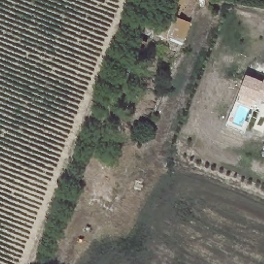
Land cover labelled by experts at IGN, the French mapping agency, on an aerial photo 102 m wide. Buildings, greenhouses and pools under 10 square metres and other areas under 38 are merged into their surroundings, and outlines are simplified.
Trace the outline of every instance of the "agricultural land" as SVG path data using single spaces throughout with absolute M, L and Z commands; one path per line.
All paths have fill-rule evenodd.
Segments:
M 151 226 L 151 229 L 145 227 L 144 230 L 133 227 L 140 206 L 153 190 L 142 186 L 140 190 L 135 190 L 135 181 L 129 178 L 128 172 L 124 171 L 122 178 L 115 178 L 110 166 L 102 164 L 96 158 L 91 158 L 90 161 L 87 166 L 84 172 L 84 192 L 80 194 L 72 217 L 64 230 L 65 238 L 58 240 L 59 249 L 54 260 L 64 264 L 264 264 L 264 197 L 247 193 L 244 189 L 228 187 L 227 183 L 220 180 L 221 177 L 217 179 L 189 173 L 187 181 L 179 181 L 173 188 L 178 199 L 172 206 L 175 217 L 164 220 L 159 226 Z

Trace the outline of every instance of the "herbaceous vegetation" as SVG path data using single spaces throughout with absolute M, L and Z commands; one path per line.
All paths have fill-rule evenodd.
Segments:
M 192 47 L 192 52 L 196 55 L 201 52 L 207 44 L 211 28 L 218 24 L 221 16 L 219 10 L 216 15 L 211 13 L 207 7 L 208 0 L 179 0 L 178 11 L 190 16 L 190 22 L 192 27 L 183 45 L 168 41 L 169 48 L 166 54 L 174 56 L 174 63 L 170 66 L 171 76 L 175 76 L 177 67 L 184 60 L 185 54 L 181 51 L 181 46 Z
M 225 73 L 220 72 L 226 66 L 230 67 L 231 63 L 237 64 L 237 72 L 247 68 L 264 71 L 264 9 L 237 4 L 236 14 L 244 24 L 249 25 L 241 33 L 247 44 L 245 51 L 221 57 L 213 64 L 206 62 L 190 107 L 188 123 L 179 132 L 176 140 L 177 153 L 173 157 L 174 169 L 181 173 L 189 173 L 217 179 L 221 177 L 220 180 L 227 183 L 228 187 L 244 189 L 247 193 L 264 197 L 264 130 L 260 132 L 253 128 L 252 131 L 241 132 L 227 126 L 238 97 L 243 80 L 228 79 Z
M 153 190 L 160 176 L 168 169 L 166 158 L 161 155 L 162 145 L 174 135 L 171 125 L 177 117 L 177 111 L 186 107 L 186 99 L 190 95 L 184 91 L 180 90 L 177 96 L 171 98 L 155 96 L 155 78 L 148 81 L 146 95 L 136 104 L 133 117 L 137 120 L 141 115 L 159 111 L 160 119 L 156 123 L 155 138 L 143 143 L 141 147 L 137 146 L 136 142 L 133 145 L 124 145 L 119 165 L 110 166 L 115 178 L 122 178 L 124 171 L 128 172 L 129 178 L 135 181 L 135 190 L 140 190 L 142 186 Z

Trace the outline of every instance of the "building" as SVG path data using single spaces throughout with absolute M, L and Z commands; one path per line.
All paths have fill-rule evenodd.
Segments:
M 192 27 L 190 22 L 172 16 L 169 29 L 159 35 L 161 40 L 168 41 L 183 45 Z
M 249 75 L 243 80 L 238 97 L 261 99 L 264 102 L 264 81 Z

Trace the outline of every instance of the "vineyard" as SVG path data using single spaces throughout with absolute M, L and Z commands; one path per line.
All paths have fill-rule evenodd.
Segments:
M 118 30 L 126 0 L 0 0 L 0 264 L 30 264 L 35 262 L 46 212 L 55 189 L 58 188 L 57 180 L 63 169 L 72 159 L 87 166 L 90 161 L 79 155 L 77 146 L 81 138 L 77 134 L 81 130 L 81 125 L 89 127 L 89 123 L 96 119 L 91 115 L 95 78 L 100 71 L 112 36 Z
M 237 64 L 231 63 L 230 67 L 226 66 L 220 72 L 225 73 L 228 79 L 243 80 L 249 75 L 264 81 L 264 71 L 247 68 L 237 72 Z

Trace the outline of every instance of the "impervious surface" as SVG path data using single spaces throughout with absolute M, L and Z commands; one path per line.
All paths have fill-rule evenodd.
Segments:
M 249 112 L 246 113 L 245 122 L 237 126 L 233 124 L 233 118 L 240 107 Z M 238 97 L 227 126 L 241 132 L 252 131 L 253 128 L 260 132 L 264 130 L 264 102 L 261 99 Z

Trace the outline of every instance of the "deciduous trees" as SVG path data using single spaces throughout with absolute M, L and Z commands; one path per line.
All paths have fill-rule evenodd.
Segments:
M 72 217 L 80 194 L 84 192 L 84 172 L 87 166 L 72 159 L 63 169 L 57 180 L 58 188 L 55 189 L 46 212 L 35 262 L 30 264 L 64 264 L 54 260 L 59 249 L 58 240 L 65 238 L 64 230 Z
M 196 55 L 192 52 L 192 47 L 181 46 L 181 51 L 185 54 L 184 60 L 177 67 L 175 76 L 171 76 L 170 66 L 174 63 L 174 56 L 166 54 L 169 48 L 168 41 L 161 40 L 159 35 L 169 29 L 172 16 L 190 22 L 190 16 L 178 11 L 179 0 L 126 0 L 118 30 L 112 36 L 100 71 L 95 78 L 91 115 L 96 119 L 89 123 L 89 127 L 81 125 L 81 130 L 77 134 L 81 138 L 77 146 L 79 155 L 90 161 L 91 158 L 96 158 L 102 164 L 110 166 L 119 165 L 124 145 L 133 145 L 136 142 L 137 146 L 141 147 L 143 143 L 155 138 L 156 123 L 160 119 L 159 111 L 141 115 L 137 120 L 133 117 L 136 104 L 146 95 L 148 81 L 155 78 L 155 96 L 171 98 L 177 96 L 180 90 L 184 91 L 190 95 L 186 99 L 186 107 L 177 111 L 177 117 L 171 125 L 174 135 L 162 145 L 161 155 L 166 158 L 168 169 L 160 176 L 153 190 L 140 206 L 133 227 L 144 230 L 145 227 L 151 229 L 151 226 L 159 226 L 164 220 L 175 217 L 172 206 L 178 199 L 173 188 L 179 181 L 187 181 L 189 173 L 181 173 L 174 169 L 173 157 L 177 153 L 176 140 L 179 132 L 188 123 L 190 107 L 206 62 L 213 64 L 221 57 L 245 51 L 247 44 L 241 33 L 249 25 L 244 24 L 236 14 L 237 4 L 264 9 L 264 0 L 208 0 L 207 7 L 211 13 L 216 15 L 219 10 L 221 16 L 218 24 L 211 28 L 207 44 L 201 52 Z

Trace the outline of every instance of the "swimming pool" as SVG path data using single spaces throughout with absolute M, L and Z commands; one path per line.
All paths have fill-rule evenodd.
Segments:
M 240 107 L 233 118 L 233 124 L 237 126 L 245 122 L 246 113 L 249 112 Z

